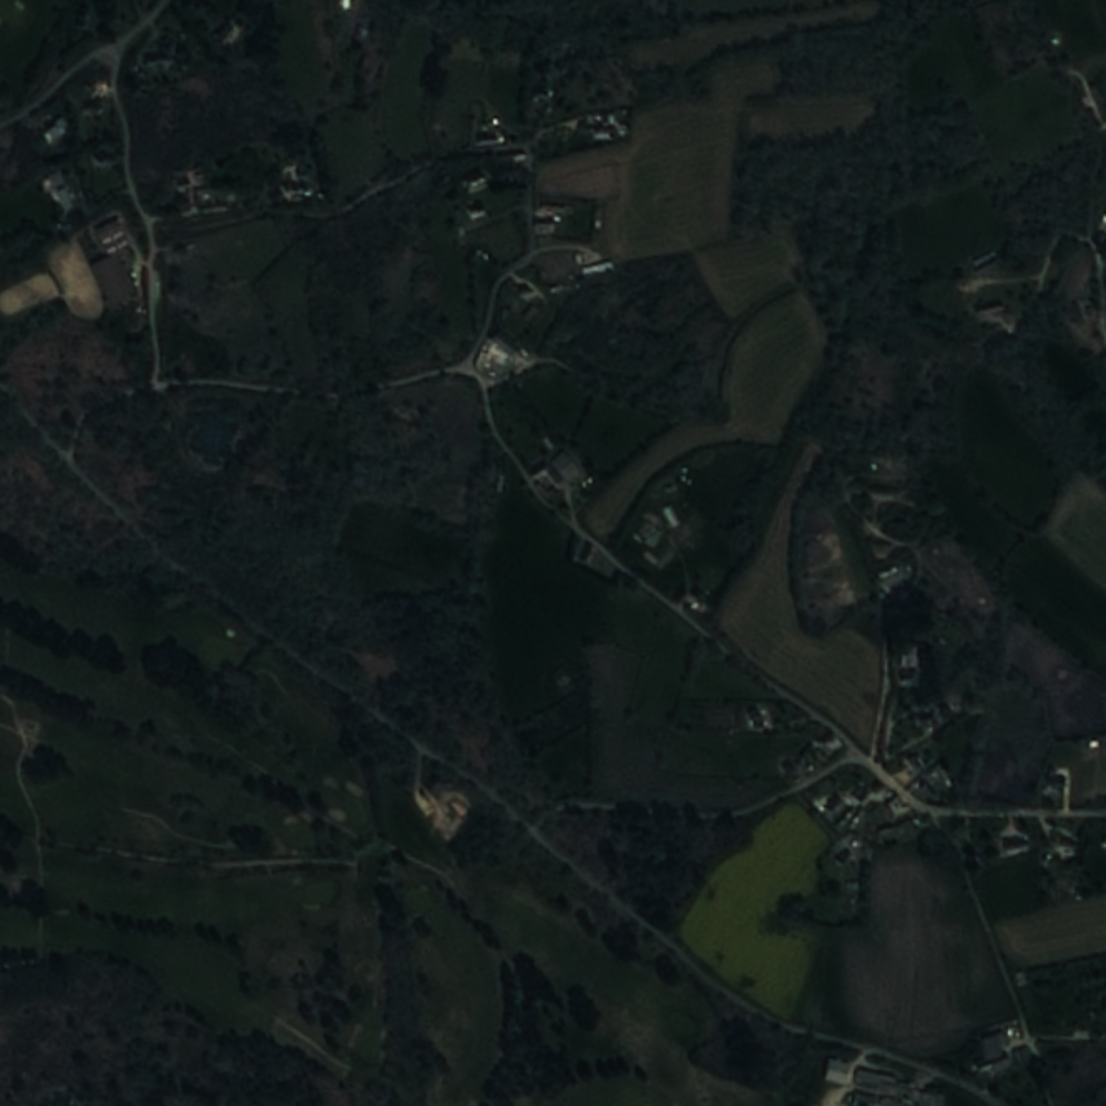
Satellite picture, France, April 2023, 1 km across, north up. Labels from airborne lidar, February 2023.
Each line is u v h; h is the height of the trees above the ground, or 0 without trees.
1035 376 12
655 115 0
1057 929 0
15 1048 0
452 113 0
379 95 9
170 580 9
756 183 9
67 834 0
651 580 6
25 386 0
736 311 0
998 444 0
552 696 0
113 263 0
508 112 0
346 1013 14
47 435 7
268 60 9
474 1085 0
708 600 5
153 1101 12
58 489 6
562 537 0
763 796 0
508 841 10
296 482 16
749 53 9
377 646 11
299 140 17
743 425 0
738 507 6
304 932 8
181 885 0
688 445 0
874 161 16
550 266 0
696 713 0
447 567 0
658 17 6
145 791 0
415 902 0
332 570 11
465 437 0
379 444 9
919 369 8
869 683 0
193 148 6
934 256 0
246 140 6
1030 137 0
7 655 0
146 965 0
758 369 0
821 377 0
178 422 0
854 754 0
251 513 8
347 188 0
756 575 0
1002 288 0
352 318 0
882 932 0
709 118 0
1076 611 0
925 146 13
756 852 0
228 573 13
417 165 6
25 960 9
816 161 17
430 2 12
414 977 8
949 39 0
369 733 18
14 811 0
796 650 0
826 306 18
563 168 0
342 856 11
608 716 0
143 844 0
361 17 0
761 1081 7
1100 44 0
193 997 0
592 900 9
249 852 12
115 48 0
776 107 0
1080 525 0
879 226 13
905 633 19
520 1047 10
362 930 0
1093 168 10
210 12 13
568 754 0
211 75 6
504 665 0
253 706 13
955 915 0
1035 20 14
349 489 15
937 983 0
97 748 0
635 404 8
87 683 0
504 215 0
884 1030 0
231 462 7
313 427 0
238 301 0
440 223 0
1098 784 0
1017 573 0
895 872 0
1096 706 0
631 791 0
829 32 9
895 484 0
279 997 8
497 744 10
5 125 0
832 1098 0
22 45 0
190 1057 0
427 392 0
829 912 0
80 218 10
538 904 0
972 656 13
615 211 0
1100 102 0
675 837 16
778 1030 10
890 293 9
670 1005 0
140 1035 7
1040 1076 16
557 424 0
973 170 16
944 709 15
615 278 7
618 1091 0
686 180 0
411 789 12
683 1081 0
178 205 8
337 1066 0
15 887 0
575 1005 18
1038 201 8
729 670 6
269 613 9
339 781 0
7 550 19
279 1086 13
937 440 10
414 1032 11
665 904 16
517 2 17
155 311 0
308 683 11
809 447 0
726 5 0
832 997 0
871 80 18
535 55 10
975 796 15
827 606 0
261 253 0
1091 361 8
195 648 0
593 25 14
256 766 0
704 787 0
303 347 0
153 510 10
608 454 0
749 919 0
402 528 0
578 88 0
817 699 0
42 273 8
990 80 0
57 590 0
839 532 0
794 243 0
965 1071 7
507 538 0
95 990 8
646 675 0
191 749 0
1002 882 0
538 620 0
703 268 0
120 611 0
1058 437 10
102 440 12
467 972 0
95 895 0
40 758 14
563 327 7
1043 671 0
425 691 15
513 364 0
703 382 7
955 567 0
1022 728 0
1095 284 6
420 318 6
